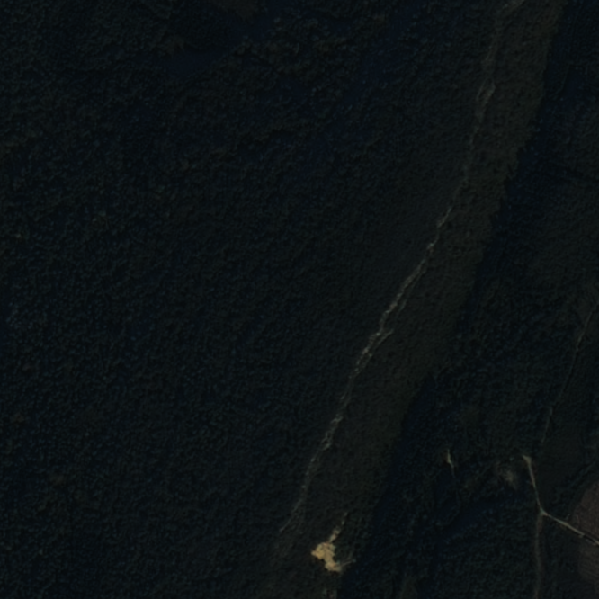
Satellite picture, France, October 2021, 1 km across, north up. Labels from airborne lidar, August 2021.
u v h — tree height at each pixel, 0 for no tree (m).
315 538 18
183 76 15
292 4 22
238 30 12
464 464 12
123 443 14
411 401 7
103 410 9
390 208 11
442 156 10
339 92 19
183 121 19
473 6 12
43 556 26
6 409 25
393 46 9
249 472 9
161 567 6
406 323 14
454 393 10
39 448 28
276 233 8
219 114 21
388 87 17
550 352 16
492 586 19
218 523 7
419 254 5
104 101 20
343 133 15
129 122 21
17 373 27
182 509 19
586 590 0
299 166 14
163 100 23
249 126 21
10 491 19
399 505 25
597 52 10
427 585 7
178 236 10
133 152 21
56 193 24
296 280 14
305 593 11
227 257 13
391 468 11
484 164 26
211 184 19
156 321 10
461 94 11
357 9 20
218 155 16
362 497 8
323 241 15
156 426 7
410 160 12
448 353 13
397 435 9
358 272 7
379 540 25
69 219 21
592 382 7
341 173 18
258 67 21
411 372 10
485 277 25
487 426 19
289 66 25
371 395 23
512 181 6
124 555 10
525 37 13
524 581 22
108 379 15
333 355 9
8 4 22
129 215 21
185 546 7
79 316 22
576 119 8
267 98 23
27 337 20
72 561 12
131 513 8
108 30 18
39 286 22
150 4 23
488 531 20
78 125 10
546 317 14
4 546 22
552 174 13
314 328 12
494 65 7
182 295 16
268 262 9
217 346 13
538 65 10
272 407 15
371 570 27
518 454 17
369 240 12
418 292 19
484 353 12
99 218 15
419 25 9
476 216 6
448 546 17
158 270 9
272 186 17
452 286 12
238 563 10
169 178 20
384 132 12
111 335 19
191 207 22
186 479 15
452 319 8
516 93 13
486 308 8
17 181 27
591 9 20
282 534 8
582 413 6
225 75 24
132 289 8
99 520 15
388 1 17
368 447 10
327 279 14
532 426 16
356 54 17
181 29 15
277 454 13
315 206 11
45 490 27
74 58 19
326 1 19
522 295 14
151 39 22
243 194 16
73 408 22
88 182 6
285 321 13
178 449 19
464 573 13
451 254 12
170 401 12
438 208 5
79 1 22
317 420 13
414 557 34
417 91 10
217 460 7
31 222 12
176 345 14
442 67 8
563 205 9
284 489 9
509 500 14
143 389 15
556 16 12
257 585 11
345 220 14
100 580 15
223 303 14
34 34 15
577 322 18
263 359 13
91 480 14
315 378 16
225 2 0
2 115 23
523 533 25
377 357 13
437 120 13
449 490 23
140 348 15
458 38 12
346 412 7
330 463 20
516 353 16
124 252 17
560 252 9
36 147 21
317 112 21
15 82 21
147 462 6
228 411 12
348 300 9
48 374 26
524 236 18
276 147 19
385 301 6
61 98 22
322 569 11
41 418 26
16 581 24
